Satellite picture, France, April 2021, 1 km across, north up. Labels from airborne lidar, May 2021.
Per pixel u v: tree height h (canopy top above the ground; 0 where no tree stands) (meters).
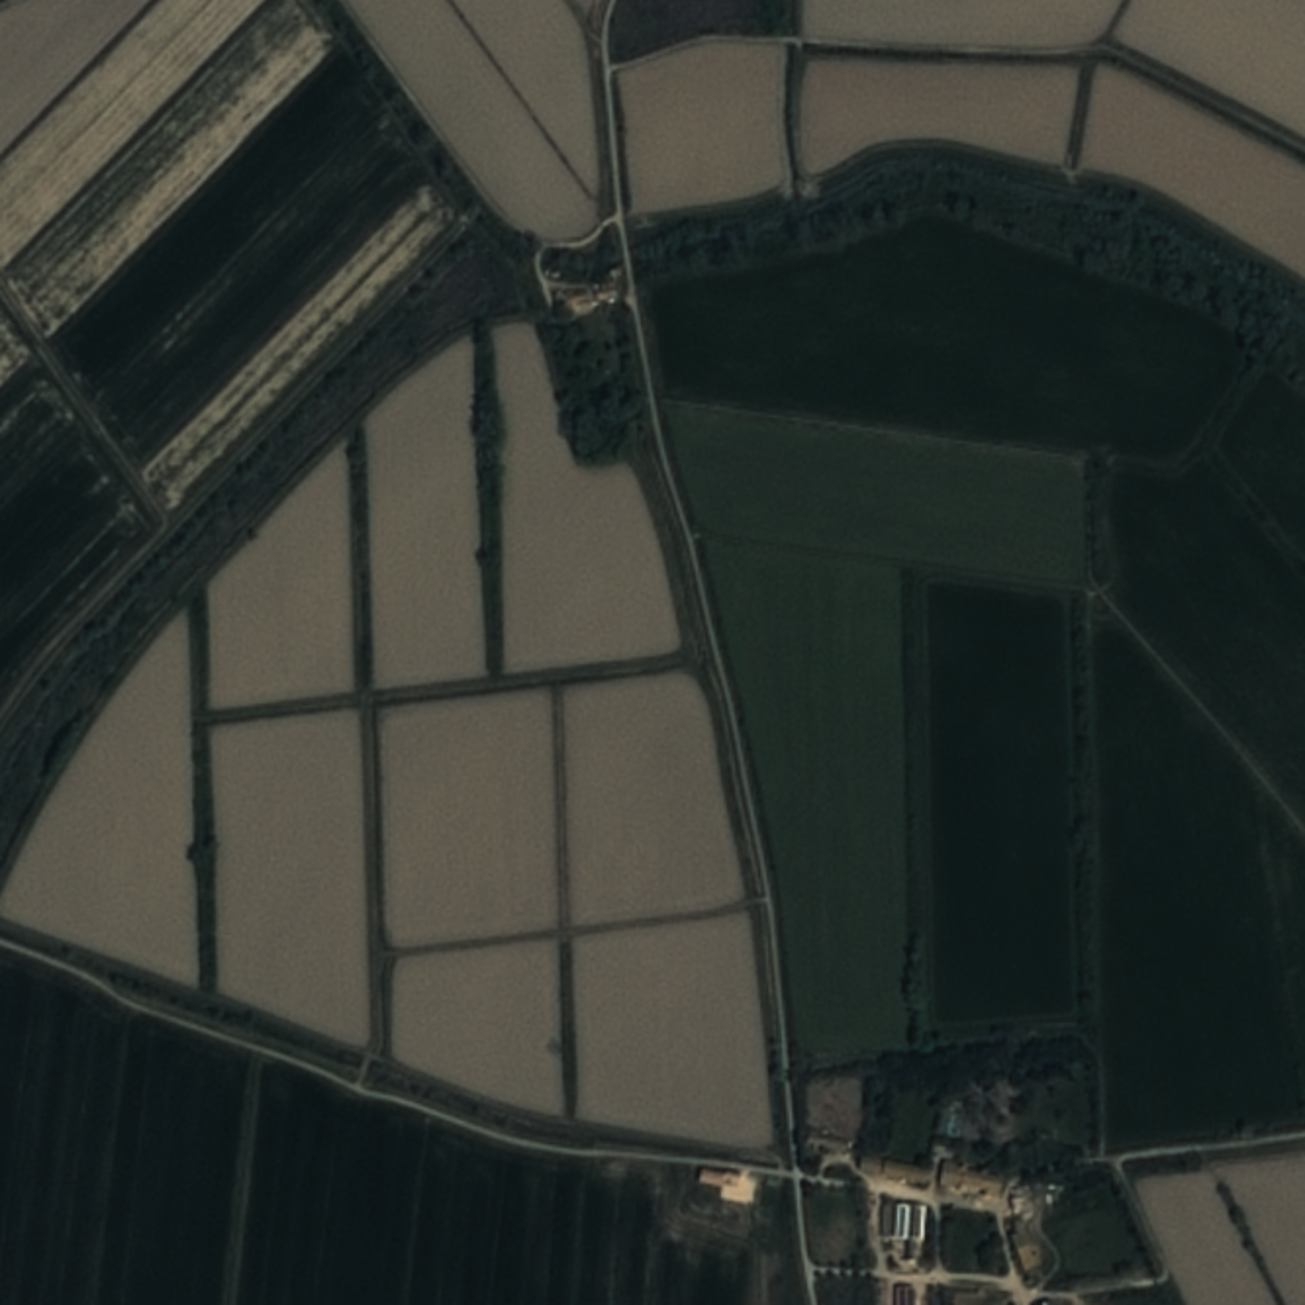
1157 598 0
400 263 0
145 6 0
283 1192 0
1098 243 15
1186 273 6
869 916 0
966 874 0
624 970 0
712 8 0
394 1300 0
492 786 0
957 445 0
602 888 0
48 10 0
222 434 0
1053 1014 0
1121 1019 0
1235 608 0
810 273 0
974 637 0
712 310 0
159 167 0
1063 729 0
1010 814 0
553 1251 0
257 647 0
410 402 0
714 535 0
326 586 0
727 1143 0
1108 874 0
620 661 0
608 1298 0
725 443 0
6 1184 0
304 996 0
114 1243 0
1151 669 0
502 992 0
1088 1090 5
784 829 0
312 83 0
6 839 0
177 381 0
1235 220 0
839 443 0
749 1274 0
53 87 0
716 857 0
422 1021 0
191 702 0
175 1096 0
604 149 0
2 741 0
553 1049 12
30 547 0
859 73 0
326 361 0
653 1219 0
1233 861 0
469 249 13
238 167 0
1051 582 0
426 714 0
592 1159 0
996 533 0
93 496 0
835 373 0
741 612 0
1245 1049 0
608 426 17
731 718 0
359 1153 0
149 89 0
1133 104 0
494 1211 0
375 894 0
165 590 0
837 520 0
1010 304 0
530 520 0
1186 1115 0
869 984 0
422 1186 0
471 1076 0
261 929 0
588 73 0
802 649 0
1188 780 0
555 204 0
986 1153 13
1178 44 0
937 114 0
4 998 0
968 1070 14
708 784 0
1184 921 0
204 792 0
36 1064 0
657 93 0
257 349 0
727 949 0
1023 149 0
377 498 0
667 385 0
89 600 0
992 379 0
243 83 0
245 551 0
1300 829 0
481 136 0
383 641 0
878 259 0
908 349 0
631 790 0
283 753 0
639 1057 0
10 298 0
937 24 0
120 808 0
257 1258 0
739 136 0
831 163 0
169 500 0
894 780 0
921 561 0
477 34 0
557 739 0
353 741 0
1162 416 0
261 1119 0
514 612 0
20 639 0
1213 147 0
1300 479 0
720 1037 0
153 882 0
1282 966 0
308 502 0
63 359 0
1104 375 0
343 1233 0
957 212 19
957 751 0
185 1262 0
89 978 0
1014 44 0
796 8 0
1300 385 8
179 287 0
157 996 7
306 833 0
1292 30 0
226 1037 0
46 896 0
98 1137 0
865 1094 7
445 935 0
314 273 0
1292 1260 0
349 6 0
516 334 0
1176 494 0
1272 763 0
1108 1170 7
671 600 0
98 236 0
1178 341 0
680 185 0
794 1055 7
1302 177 0
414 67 0
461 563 0
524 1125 0
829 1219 0
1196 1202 0
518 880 0
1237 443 0
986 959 0
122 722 0
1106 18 0
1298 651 0
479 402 11
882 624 0
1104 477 9
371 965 0
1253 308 8
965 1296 0
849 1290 0
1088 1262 0
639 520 0
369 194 0
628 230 0
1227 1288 0
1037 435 0
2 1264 0
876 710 0
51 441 0
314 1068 0
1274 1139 0
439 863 0
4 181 0
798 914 0
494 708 0
